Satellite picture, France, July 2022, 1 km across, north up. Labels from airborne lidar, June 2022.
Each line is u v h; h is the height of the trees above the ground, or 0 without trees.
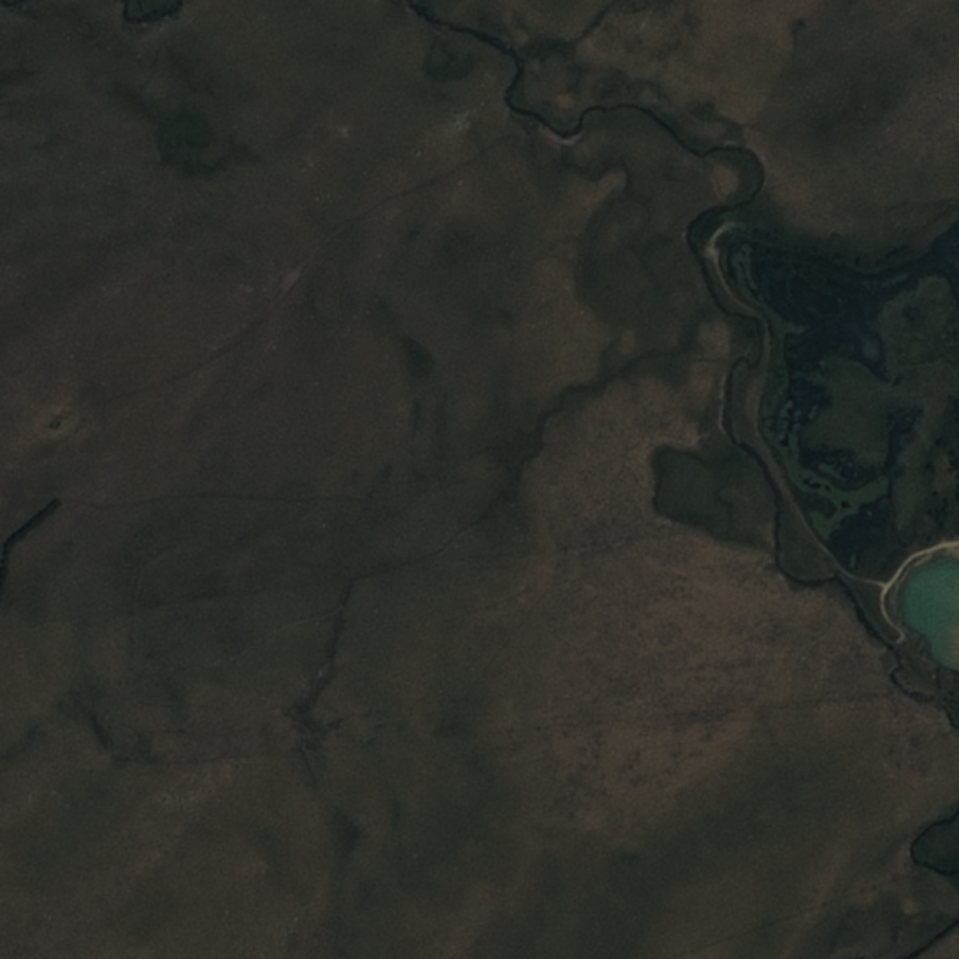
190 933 0
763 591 0
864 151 0
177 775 0
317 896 0
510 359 0
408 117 0
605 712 0
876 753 0
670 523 0
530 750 0
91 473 0
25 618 0
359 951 0
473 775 0
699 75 0
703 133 0
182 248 0
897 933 0
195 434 0
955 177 0
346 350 0
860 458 0
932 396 0
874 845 0
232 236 0
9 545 7
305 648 0
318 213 0
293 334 0
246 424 0
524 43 0
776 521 0
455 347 0
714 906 0
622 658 0
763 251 0
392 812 0
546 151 0
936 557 0
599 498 0
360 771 0
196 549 0
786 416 0
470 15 0
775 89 0
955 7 0
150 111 0
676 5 0
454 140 0
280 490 0
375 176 0
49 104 0
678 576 0
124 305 0
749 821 0
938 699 0
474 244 0
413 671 0
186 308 0
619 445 0
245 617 0
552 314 0
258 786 0
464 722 0
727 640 0
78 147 0
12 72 0
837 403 0
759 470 0
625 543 0
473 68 0
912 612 0
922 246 0
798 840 0
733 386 0
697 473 0
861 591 0
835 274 0
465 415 0
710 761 0
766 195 0
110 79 0
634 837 0
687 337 0
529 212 0
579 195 0
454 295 0
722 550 0
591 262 0
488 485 0
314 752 0
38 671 0
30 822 0
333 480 0
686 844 0
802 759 0
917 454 0
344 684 0
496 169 0
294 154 0
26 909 0
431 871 0
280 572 0
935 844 0
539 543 0
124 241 0
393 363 0
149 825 0
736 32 0
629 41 0
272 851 0
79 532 0
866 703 0
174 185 0
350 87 0
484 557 0
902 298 0
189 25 0
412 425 0
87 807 0
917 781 0
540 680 0
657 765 0
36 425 0
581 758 0
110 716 0
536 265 0
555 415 0
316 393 0
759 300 0
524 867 0
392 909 0
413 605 0
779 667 0
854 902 0
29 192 0
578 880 0
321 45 0
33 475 0
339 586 0
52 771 0
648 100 0
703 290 0
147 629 0
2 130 0
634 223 0
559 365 0
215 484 0
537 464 0
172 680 0
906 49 0
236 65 0
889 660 0
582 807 0
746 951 0
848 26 0
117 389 0
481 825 0
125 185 0
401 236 0
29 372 0
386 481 0
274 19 0
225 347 0
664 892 0
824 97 0
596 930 0
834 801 0
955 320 0
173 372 0
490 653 0
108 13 0
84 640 0
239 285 0
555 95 0
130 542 0
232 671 0
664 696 0
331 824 0
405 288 0
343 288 0
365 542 0
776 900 0
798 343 0
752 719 0
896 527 0
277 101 0
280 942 0
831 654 0
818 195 0
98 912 0
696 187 0
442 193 0
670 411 0
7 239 0
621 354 0
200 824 0
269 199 0
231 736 0
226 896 0
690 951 0
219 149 0
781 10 0
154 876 0
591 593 0
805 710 0
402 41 0
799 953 0
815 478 0
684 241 0
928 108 0
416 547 0
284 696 0
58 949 0
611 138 0
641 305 0
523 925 0
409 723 0
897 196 0
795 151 0
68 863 0
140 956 0
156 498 0
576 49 0
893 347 0
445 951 0
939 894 0
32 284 0
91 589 0
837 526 0
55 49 0
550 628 0
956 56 0
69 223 0
